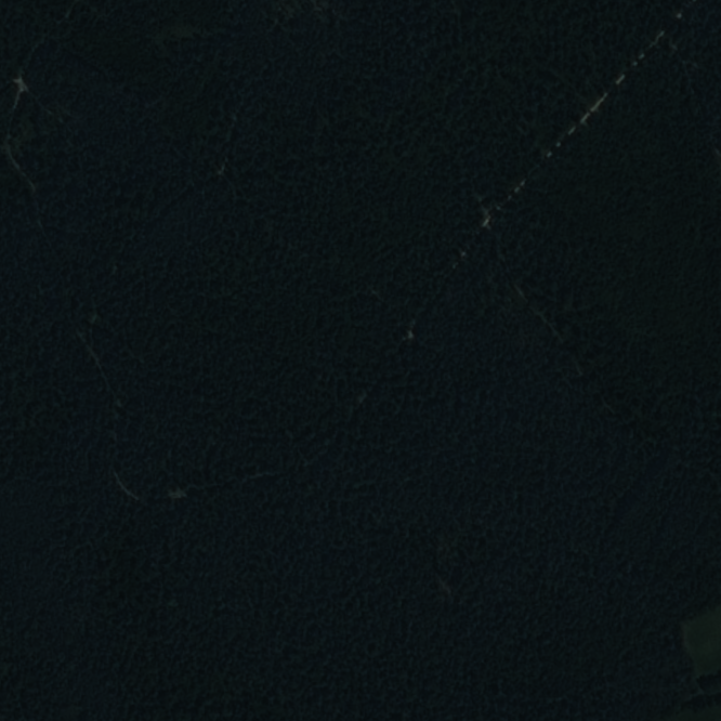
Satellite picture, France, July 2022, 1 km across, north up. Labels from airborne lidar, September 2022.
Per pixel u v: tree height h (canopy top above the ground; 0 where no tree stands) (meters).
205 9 7
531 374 15
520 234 23
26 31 20
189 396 15
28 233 28
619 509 6
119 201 21
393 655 15
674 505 25
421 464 31
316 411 14
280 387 17
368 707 11
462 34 7
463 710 20
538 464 19
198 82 7
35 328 12
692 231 16
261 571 17
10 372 20
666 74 9
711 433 17
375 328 20
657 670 16
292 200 9
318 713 18
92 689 19
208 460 18
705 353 11
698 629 0
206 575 14
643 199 11
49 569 20
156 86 8
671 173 11
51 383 14
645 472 5
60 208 25
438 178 18
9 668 16
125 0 11
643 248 11
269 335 13
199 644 19
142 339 14
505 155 11
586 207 10
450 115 16
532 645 20
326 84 12
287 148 14
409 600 20
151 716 20
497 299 21
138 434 26
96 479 23
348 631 18
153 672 22
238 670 22
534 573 7
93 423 26
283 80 7
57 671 19
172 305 14
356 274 9
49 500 19
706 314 9
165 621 23
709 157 11
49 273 23
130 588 9
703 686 19
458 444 20
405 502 23
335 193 13
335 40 19
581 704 10
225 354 14
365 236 18
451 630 22
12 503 20
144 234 21
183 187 17
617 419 15
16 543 20
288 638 22
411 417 26
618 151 9
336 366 23
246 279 11
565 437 22
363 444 23
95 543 28
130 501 15
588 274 10
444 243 16
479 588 21
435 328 22
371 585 8
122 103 19
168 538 27
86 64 25
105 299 13
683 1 7
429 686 17
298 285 16
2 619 19
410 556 17
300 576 21
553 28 8
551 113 7
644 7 18
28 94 12
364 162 15
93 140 20
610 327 12
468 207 11
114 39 6
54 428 11
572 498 23
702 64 10
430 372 26
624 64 7
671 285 10
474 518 22
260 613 14
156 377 19
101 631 9
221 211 14
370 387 14
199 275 16
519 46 6
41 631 19
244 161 12
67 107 18
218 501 14
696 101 6
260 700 18
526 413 23
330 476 23
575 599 18
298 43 20
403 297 20
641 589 21
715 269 11
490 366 24
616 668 22
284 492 15
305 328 15
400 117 6
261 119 19
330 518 17
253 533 19
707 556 22
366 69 21
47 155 10
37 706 18
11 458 11
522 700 12
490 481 15
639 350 9
